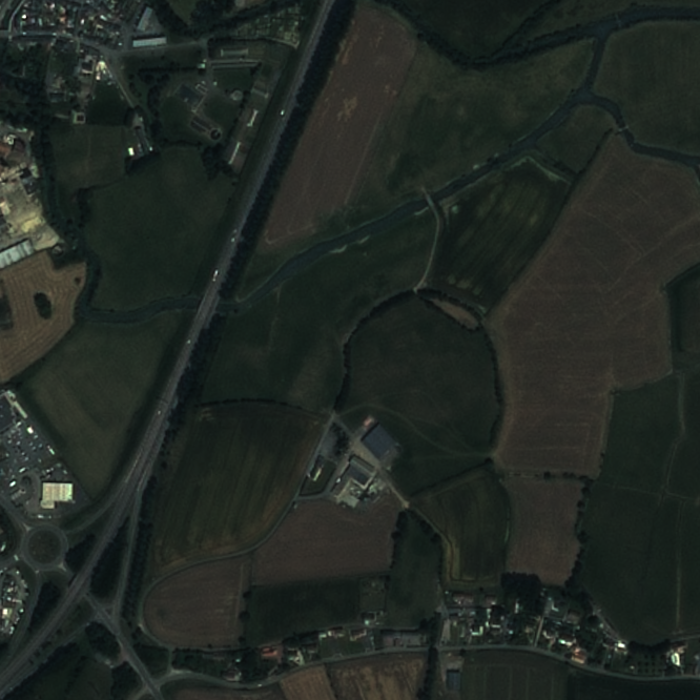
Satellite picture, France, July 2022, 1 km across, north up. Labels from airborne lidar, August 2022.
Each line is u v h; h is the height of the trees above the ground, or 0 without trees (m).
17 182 0
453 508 0
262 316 0
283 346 0
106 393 0
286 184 0
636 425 0
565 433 0
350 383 8
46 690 0
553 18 0
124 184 0
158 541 0
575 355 0
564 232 0
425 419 0
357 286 0
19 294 0
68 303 0
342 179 0
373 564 0
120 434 0
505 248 0
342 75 0
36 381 0
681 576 0
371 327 0
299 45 0
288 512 0
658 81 0
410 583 0
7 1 0
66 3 0
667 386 0
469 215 0
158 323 0
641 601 0
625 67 0
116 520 0
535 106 0
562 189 0
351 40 0
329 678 7
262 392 0
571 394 0
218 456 0
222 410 0
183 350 0
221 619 0
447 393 0
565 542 0
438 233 0
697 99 0
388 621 0
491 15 0
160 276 0
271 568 0
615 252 0
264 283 0
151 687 0
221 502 0
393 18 0
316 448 0
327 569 0
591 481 6
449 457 0
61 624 0
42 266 0
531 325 0
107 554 14
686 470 0
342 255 0
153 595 0
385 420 0
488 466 10
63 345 0
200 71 9
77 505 0
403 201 0
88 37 0
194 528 0
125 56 0
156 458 0
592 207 0
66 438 0
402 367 0
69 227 10
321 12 0
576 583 13
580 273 0
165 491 0
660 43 0
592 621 12
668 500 0
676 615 0
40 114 12
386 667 0
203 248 0
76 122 0
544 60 0
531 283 0
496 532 0
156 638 0
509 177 0
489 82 0
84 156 0
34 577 0
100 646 12
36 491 0
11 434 0
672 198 0
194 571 0
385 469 0
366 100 0
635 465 0
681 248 0
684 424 0
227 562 0
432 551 0
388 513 0
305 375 0
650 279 0
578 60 0
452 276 0
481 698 0
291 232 0
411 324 0
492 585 0
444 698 0
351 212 0
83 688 0
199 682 0
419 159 0
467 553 0
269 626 0
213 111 0
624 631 0
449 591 0
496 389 8
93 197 0
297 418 0
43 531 0
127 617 14
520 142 0
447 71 0
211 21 24
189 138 0
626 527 0
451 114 0
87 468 0
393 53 0
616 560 0
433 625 7
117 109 0
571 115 6
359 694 0
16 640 0
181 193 0
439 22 0
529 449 0
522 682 0
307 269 0
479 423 0
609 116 0
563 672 0
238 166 0
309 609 0
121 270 0
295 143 24
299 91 0
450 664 0
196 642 0
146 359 0
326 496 0
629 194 0
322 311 0
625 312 0
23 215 0
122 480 0
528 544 0
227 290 24
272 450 0
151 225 0
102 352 0
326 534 0
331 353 0
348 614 0
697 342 0
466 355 0
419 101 0
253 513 0
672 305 0
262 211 24
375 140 0
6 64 7
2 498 0
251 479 0
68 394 0
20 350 0
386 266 0
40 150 15
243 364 0
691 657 0
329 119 0
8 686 0
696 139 0
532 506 0
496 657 0
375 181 0
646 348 0
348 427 0
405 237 0
